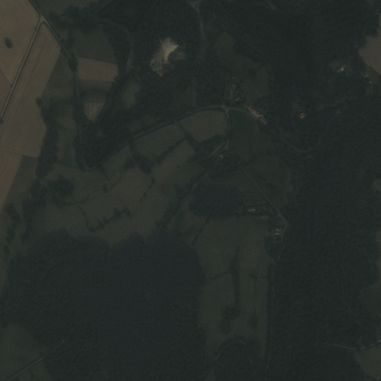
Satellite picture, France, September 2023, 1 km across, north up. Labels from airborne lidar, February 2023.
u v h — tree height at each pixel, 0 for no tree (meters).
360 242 12
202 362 8
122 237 0
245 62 0
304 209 9
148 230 0
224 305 0
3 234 0
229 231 0
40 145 0
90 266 27
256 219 0
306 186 9
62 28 0
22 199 0
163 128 0
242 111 0
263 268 0
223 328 0
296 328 19
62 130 0
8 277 13
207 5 8
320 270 22
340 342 22
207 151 6
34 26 0
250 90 0
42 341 21
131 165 13
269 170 0
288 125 21
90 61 0
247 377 22
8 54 0
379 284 0
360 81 21
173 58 0
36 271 7
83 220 0
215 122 0
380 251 0
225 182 0
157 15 20
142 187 0
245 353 14
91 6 17
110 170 0
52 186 22
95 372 11
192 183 11
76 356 17
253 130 0
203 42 0
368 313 0
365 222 12
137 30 10
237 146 0
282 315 15
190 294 0
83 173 0
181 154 0
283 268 12
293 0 13
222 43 0
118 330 29
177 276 21
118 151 9
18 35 0
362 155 9
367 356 0
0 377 0
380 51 0
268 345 11
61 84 0
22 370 0
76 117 25
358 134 20
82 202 0
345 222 15
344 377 17
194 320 6
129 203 0
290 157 7
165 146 0
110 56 0
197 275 29
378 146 14
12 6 0
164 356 8
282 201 0
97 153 13
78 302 26
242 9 11
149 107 23
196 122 0
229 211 26
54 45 0
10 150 0
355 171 8
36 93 0
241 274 0
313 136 21
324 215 26
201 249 0
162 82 12
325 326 20
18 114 0
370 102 11
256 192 0
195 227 0
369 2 0
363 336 19
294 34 10
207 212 6
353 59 19
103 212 0
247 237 0
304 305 17
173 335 27
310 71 11
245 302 0
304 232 10
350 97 27
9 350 0
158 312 17
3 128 0
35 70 0
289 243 7
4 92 0
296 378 20
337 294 20
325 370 14
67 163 0
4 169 0
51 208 0
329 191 25
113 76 0
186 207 0
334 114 15
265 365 6
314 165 9
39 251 25
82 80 0
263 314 0
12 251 0
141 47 14
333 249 22
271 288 8
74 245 13
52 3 0
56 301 12
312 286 21
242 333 0
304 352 19
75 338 10
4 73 0
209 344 0
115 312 30
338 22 9
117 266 29
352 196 9
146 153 0
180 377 9
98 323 30
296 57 8
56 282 15
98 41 0
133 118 15
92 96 0
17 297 13
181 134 0
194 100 0
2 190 0
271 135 6
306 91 26
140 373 16
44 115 20
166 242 27
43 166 17
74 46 0
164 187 0
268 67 7
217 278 0
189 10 8
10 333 0
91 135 20
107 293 31
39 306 8
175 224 0
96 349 8
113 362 9
